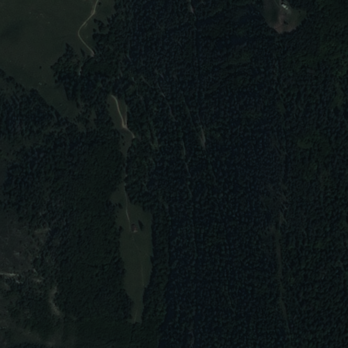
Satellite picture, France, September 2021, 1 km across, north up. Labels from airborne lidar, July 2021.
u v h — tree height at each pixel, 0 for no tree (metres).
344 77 6
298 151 13
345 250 9
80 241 17
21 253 7
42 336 8
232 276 9
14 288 16
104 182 19
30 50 0
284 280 6
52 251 24
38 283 8
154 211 24
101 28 16
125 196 0
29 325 9
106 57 20
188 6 20
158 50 23
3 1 0
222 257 25
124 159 15
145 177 23
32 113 11
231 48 17
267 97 12
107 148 16
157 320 10
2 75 10
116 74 12
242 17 0
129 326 11
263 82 10
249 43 14
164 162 23
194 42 14
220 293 22
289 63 18
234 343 24
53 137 13
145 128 21
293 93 17
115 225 23
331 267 9
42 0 0
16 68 0
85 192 22
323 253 28
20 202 13
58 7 0
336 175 33
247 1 9
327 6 15
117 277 25
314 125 25
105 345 6
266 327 21
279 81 20
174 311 18
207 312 22
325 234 7
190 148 19
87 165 18
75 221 20
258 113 9
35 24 0
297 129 22
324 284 29
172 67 29
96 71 17
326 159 20
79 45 0
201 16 17
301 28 16
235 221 22
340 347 24
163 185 15
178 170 6
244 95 13
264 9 10
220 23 19
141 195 17
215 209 21
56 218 30
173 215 23
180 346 22
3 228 0
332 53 17
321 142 17
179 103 21
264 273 20
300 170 17
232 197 21
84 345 7
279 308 8
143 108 29
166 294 15
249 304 25
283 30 0
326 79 18
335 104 8
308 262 26
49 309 13
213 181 13
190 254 25
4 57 0
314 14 19
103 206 25
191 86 22
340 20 8
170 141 28
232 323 25
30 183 18
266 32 13
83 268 19
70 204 22
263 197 25
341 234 7
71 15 0
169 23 29
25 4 0
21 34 0
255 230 25
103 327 10
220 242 24
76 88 25
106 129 10
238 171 24
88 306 22
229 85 13
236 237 29
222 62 27
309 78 24
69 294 17
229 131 24
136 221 0
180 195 9
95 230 21
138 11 22
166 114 22
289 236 23
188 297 25
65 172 23
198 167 11
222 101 25
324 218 33
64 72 8
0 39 0
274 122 26
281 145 27
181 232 21
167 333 19
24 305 15
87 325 7
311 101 19
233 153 18
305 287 20
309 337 19
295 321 13
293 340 9
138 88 6
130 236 0
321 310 26
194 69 24
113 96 0
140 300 0
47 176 13
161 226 24
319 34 17
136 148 8
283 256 8
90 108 11
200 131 12
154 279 27
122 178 13
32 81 0
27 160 19
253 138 23
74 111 0
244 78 12
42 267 13
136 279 0
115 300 24
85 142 6
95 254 24
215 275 20
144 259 0
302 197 24
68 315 12
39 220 17
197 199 32
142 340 9
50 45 0
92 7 0
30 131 17
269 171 23
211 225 24
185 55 21
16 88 10
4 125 11
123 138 16
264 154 26
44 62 0
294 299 6
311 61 17
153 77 18
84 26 0
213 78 19
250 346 22
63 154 23
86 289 18
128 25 24
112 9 0
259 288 21
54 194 15
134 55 7
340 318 21
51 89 0
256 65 14
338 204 17
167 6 27
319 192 32
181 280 17
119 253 13
